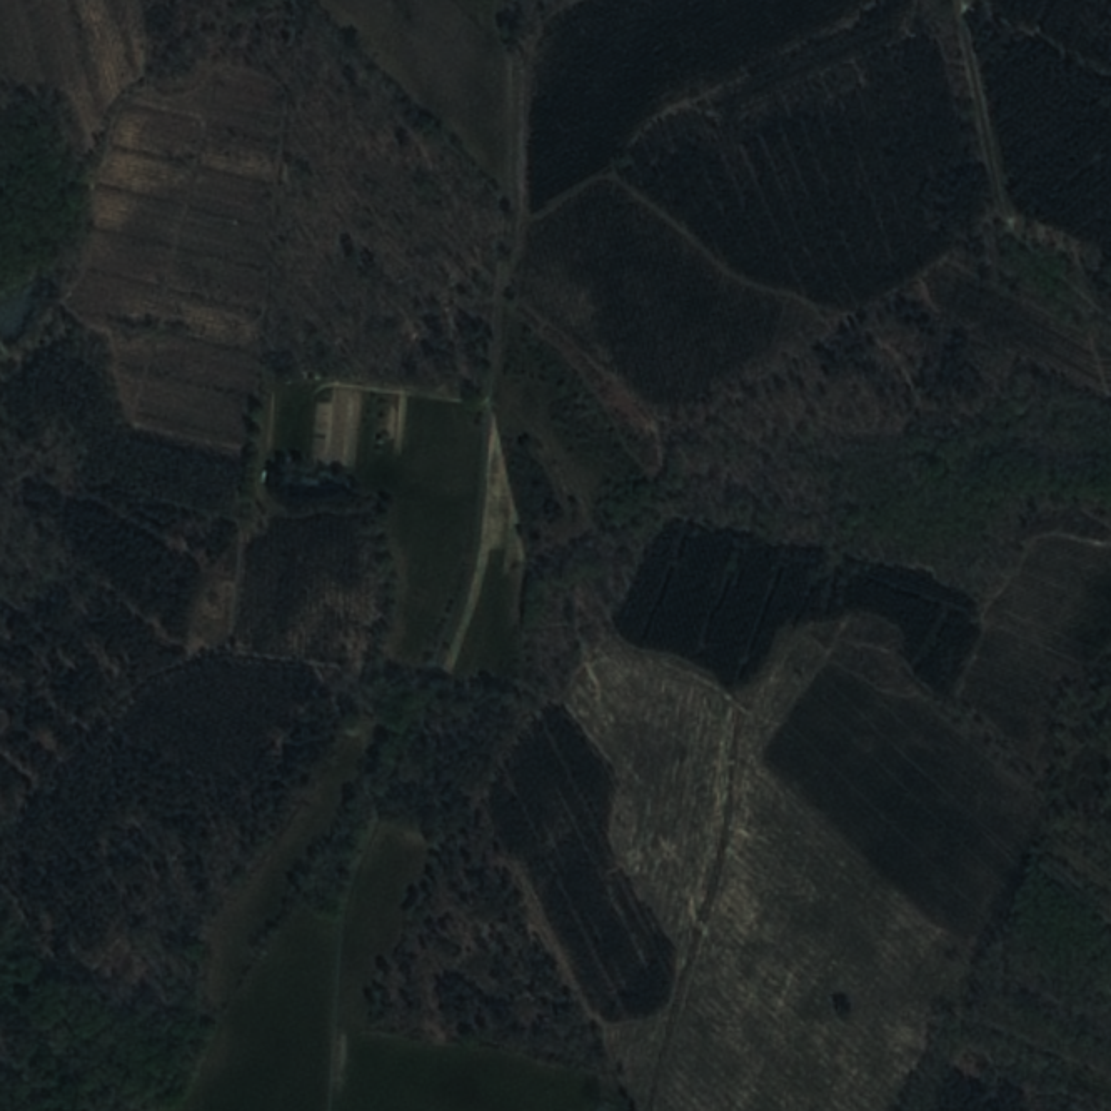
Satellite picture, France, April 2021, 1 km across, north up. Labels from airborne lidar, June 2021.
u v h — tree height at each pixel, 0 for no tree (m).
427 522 0
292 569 7
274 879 0
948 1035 17
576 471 0
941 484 20
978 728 12
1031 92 12
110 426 17
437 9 0
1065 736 22
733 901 0
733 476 12
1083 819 20
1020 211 9
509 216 15
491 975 0
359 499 16
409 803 20
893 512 20
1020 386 15
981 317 6
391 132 14
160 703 14
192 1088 15
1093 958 21
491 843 6
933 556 12
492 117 0
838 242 11
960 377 12
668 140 8
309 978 0
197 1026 18
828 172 12
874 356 14
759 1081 0
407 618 0
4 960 17
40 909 17
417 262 12
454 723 17
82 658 15
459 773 24
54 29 0
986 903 0
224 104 0
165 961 17
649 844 0
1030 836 0
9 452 15
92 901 12
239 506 18
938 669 9
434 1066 0
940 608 11
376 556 7
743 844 0
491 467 0
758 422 10
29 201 25
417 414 0
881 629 0
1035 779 16
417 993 25
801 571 11
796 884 0
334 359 15
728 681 6
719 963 0
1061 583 0
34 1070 22
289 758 10
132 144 0
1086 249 12
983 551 12
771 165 10
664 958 10
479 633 0
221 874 12
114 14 0
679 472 17
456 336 11
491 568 0
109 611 18
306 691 12
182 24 7
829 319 12
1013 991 18
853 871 0
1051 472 18
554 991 15
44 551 14
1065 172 13
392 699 19
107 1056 21
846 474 16
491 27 0
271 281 13
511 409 0
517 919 24
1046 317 6
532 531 7
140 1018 21
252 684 13
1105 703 24
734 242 11
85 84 0
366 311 13
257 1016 0
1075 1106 14
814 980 0
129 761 20
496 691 23
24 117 21
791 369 12
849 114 8
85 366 17
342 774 0
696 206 11
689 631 10
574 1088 0
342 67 11
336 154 17
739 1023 0
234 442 0
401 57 0
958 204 14
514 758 8
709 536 9
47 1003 25
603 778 10
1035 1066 13
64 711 12
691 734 0
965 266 8
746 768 0
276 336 17
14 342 10
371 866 0
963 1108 19
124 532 16
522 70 0
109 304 0
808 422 14
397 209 12
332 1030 0
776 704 0
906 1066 0
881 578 9
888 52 9
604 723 0
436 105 0
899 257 12
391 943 0
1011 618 0
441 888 27
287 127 8
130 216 0
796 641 0
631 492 7
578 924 10
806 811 0
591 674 0
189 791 23
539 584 16
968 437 18
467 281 21
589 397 9
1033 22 15
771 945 0
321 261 14
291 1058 0
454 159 14
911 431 12
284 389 0
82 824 19
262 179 6
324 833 0
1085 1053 15
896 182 12
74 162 18
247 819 23
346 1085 0
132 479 17
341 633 8
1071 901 17
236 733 14
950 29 10
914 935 0
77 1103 23
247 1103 0
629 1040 0
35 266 22
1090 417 18
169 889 15
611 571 14
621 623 10
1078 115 12
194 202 0
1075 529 7
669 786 0
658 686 0
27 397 16
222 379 0
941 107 10
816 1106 0
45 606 11
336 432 0
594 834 9
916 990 0
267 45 13
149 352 0
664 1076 0
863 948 0
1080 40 14
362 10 0
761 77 8
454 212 16
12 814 14
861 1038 0
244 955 0
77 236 16
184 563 14
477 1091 0
